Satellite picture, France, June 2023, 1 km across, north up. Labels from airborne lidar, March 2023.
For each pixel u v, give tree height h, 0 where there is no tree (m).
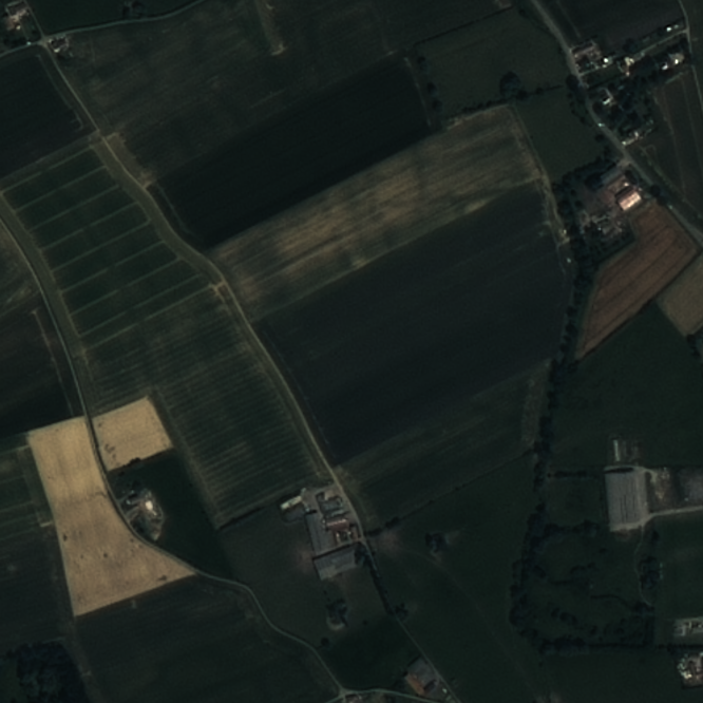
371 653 0
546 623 0
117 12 0
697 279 0
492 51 0
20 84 0
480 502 0
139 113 0
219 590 0
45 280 0
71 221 0
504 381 0
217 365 0
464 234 0
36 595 0
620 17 0
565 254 0
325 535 0
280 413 0
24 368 0
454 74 0
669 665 0
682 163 0
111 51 0
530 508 0
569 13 0
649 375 0
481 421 0
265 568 0
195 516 0
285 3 0
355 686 0
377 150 0
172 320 0
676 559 0
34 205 0
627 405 0
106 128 0
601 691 0
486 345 0
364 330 0
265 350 0
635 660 0
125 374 0
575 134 0
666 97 0
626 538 0
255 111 0
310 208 0
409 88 0
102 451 0
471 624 0
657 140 0
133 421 0
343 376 0
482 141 0
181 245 0
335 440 0
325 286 0
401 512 0
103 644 0
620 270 0
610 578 0
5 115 0
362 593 0
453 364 0
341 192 0
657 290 0
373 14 0
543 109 0
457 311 0
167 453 0
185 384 0
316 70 0
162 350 0
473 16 0
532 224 0
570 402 0
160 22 0
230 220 0
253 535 0
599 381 0
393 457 0
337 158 0
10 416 0
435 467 0
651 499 0
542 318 0
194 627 0
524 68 0
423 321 0
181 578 0
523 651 0
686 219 0
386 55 0
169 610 0
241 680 0
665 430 0
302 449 0
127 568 0
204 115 0
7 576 0
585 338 0
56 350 0
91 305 0
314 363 0
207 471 0
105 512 0
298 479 0
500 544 0
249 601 0
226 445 0
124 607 0
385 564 0
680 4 0
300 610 0
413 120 0
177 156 0
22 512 0
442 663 0
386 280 0
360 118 0
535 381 0
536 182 0
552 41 0
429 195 0
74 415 0
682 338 0
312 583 0
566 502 0
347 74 0
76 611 0
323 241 0
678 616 0
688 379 0
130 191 0
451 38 0
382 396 0
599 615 0
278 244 0
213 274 0
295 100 0
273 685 0
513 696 0
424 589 0
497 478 0
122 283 0
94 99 0
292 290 0
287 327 0
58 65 0
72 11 0
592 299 0
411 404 0
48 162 0
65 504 0
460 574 0
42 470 0
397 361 0
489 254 0
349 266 0
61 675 27
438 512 0
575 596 0
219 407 0
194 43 0
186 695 0
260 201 0
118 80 0
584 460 0
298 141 0
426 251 0
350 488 0
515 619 20
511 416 0
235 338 0
